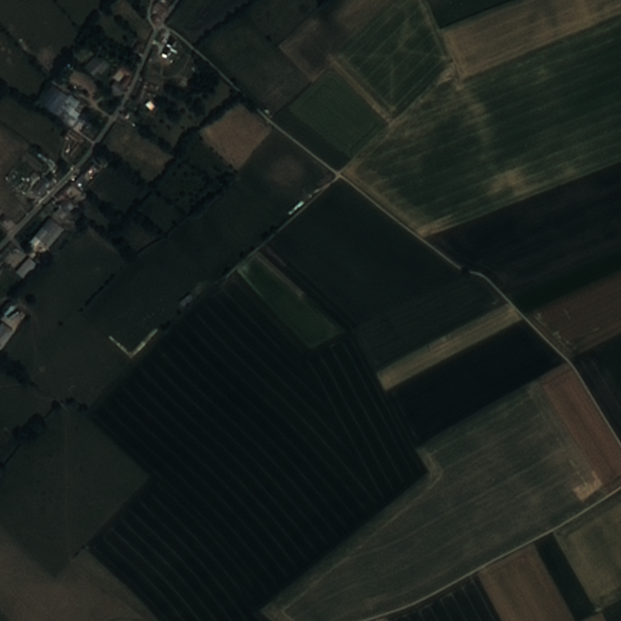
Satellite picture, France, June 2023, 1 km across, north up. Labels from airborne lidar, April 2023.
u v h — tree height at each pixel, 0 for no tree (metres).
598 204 0
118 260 0
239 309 0
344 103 0
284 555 0
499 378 0
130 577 0
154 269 0
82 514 0
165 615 0
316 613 0
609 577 0
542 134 0
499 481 0
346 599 0
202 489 0
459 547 0
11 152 0
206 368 0
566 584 0
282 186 0
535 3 0
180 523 0
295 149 0
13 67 0
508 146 0
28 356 0
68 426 0
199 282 0
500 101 0
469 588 0
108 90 7
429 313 0
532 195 0
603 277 0
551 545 0
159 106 15
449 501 0
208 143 0
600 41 0
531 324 0
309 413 0
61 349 0
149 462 0
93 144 0
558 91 0
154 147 0
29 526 0
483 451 0
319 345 0
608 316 0
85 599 0
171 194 0
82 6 0
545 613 0
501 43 0
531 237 0
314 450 0
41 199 0
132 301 0
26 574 0
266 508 0
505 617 0
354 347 0
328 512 0
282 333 0
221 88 0
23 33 0
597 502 0
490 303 0
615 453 0
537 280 0
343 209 0
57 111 0
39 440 0
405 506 0
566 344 0
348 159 0
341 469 0
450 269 0
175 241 0
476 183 0
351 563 0
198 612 0
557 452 0
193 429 0
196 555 0
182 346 0
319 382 0
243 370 0
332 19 0
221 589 0
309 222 0
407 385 0
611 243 0
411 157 0
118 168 31
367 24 0
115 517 0
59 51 0
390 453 0
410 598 0
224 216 0
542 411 0
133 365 0
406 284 0
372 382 0
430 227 0
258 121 0
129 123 0
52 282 0
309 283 0
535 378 0
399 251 0
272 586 0
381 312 0
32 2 0
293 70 0
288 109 0
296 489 0
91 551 0
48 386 0
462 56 0
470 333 0
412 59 0
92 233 0
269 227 0
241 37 0
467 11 0
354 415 0
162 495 0
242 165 0
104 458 0
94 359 0
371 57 0
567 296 0
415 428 0
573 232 0
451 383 0
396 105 0
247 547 0
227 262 0
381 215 0
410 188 0
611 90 0
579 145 0
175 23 0
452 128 0
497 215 0
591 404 0
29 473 0
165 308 0
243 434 0
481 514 0
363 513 0
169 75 0
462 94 0
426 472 0
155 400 0
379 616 0
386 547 0
